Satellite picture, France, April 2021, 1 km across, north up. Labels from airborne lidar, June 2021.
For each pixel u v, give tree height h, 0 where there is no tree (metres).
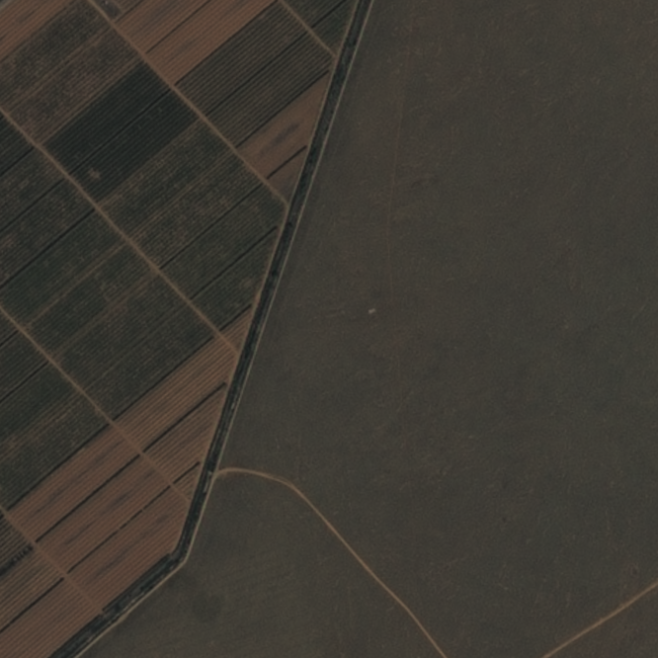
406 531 0
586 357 0
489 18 0
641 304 0
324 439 0
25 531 0
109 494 0
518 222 0
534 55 0
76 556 0
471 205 0
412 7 0
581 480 0
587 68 0
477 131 0
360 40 0
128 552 0
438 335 0
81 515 0
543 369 0
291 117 0
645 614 0
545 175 0
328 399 0
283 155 0
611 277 0
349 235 0
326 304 0
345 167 0
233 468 0
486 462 0
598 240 0
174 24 0
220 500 0
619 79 0
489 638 0
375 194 0
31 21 0
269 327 0
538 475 0
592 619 0
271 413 0
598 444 0
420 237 0
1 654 0
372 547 0
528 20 0
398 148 0
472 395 0
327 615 0
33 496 0
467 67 0
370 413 0
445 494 0
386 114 0
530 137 0
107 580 0
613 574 0
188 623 0
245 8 0
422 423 0
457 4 0
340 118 0
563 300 0
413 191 0
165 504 0
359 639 0
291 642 0
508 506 0
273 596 0
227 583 0
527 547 0
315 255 0
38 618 0
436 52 0
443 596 0
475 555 0
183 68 0
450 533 0
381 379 0
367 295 0
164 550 0
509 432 0
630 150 0
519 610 0
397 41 0
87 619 0
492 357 0
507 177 0
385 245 0
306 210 0
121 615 8
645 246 0
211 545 0
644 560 0
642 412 0
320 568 0
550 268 0
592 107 0
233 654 0
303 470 0
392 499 0
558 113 0
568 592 0
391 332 0
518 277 0
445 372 0
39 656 0
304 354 0
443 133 0
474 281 0
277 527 0
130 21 0
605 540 0
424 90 0
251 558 0
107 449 0
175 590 0
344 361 0
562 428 0
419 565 0
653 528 0
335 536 0
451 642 0
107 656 0
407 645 0
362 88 0
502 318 0
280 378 0
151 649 0
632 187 0
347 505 0
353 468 0
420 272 0
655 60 0
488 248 0
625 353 0
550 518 0
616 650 0
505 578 0
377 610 0
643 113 0
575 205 0
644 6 0
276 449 0
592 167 0
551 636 0
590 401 0
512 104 0
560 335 0
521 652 0
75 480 0
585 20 0
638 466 0
